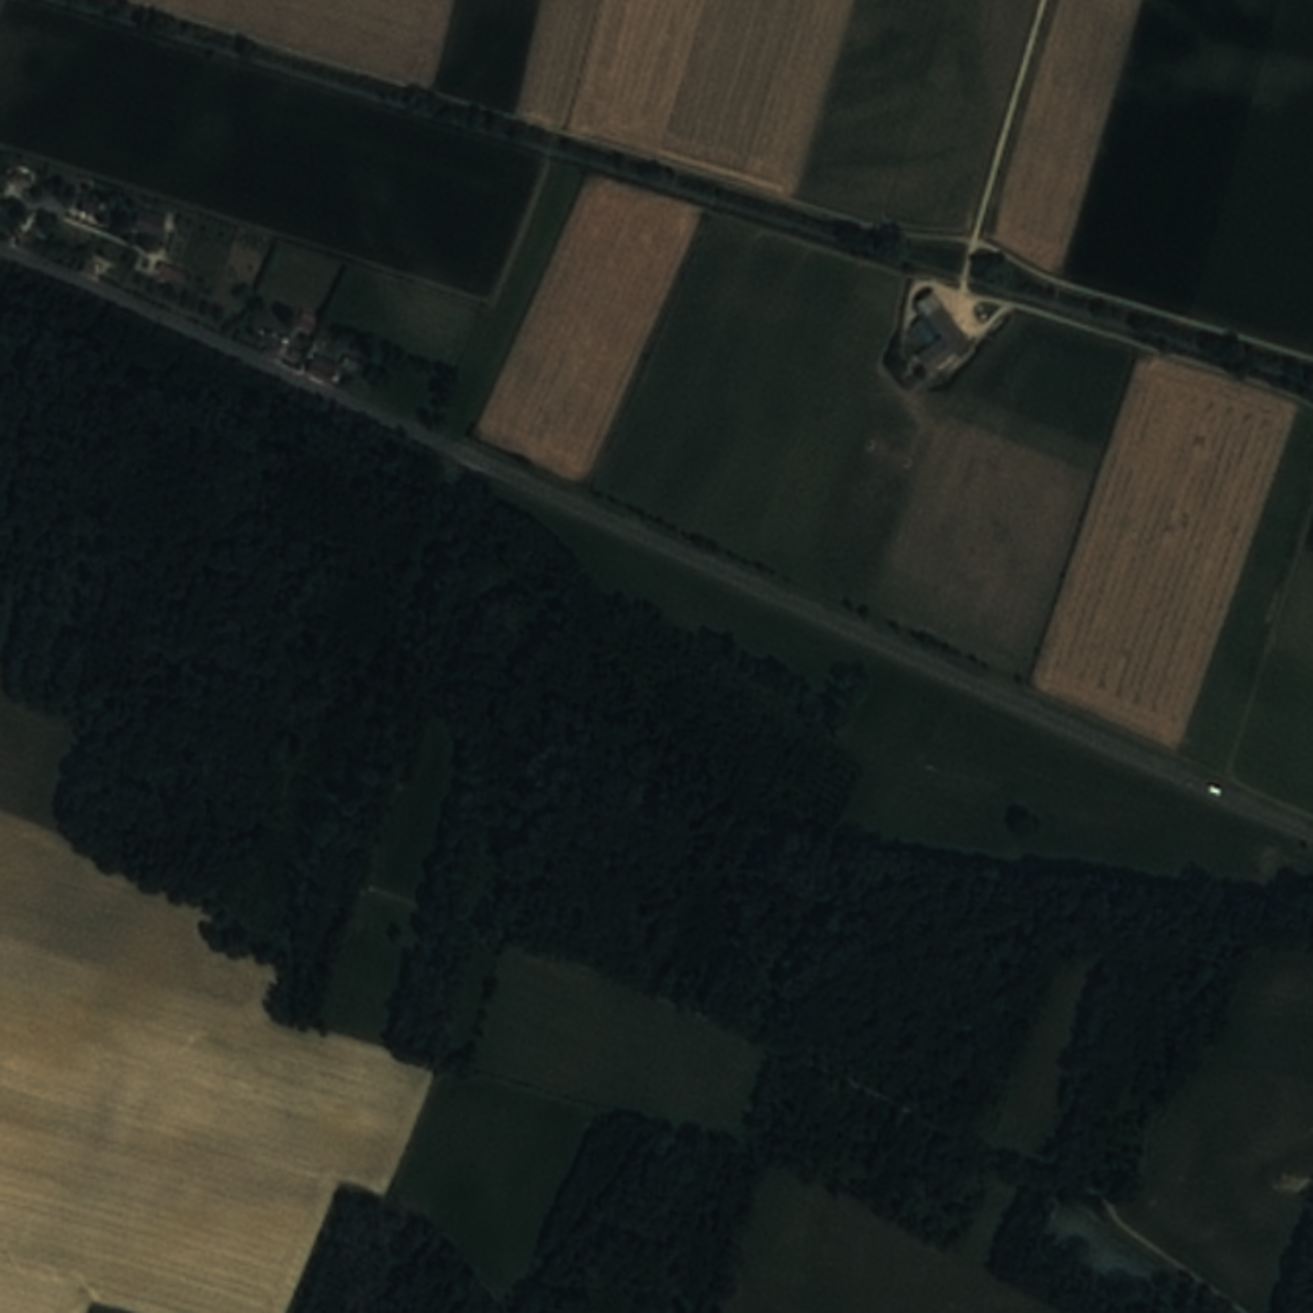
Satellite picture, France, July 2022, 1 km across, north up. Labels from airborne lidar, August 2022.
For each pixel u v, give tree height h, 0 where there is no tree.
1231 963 21
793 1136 7
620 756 17
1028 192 0
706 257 0
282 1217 0
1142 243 0
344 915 20
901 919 24
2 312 31
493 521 22
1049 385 0
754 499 0
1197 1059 20
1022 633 0
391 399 0
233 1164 0
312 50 0
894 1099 14
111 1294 0
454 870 27
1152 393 0
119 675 22
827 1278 0
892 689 0
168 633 30
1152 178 0
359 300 0
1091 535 0
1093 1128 19
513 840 27
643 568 0
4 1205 0
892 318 0
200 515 30
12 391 24
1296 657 0
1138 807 0
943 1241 9
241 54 11
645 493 0
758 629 0
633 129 0
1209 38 0
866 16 0
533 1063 0
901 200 0
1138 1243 0
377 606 13
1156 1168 0
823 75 0
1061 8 0
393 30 0
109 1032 0
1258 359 8
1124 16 0
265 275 6
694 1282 17
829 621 0
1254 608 0
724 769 7
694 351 0
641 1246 25
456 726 22
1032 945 29
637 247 0
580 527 0
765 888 27
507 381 0
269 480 26
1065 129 0
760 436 0
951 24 0
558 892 24
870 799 0
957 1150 14
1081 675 0
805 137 0
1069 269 0
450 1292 21
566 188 0
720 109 0
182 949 0
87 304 12
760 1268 0
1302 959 0
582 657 24
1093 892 32
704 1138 20
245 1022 0
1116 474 0
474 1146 0
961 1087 21
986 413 0
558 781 28
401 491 21
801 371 0
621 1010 0
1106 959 19
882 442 0
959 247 0
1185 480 0
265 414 15
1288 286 0
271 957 14
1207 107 0
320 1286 15
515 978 0
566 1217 13
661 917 29
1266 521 0
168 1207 0
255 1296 0
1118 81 0
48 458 23
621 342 0
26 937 0
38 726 0
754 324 0
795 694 24
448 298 0
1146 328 10
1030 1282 18
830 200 0
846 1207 0
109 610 24
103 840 26
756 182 0
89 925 0
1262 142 0
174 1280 0
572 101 0
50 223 13
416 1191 0
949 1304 0
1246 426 0
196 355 9
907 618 0
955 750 0
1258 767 0
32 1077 0
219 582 30
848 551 0
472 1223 0
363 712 7
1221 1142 0
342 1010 0
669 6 0
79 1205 0
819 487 0
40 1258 0
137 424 26
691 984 10
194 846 18
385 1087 0
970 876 22
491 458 0
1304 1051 0
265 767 30
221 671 29
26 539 25
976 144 0
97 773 32
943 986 23
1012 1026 28
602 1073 0
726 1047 0
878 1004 27
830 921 25
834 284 0
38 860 0
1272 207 0
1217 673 0
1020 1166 19
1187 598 0
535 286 0
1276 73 0
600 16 0
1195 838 0
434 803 0
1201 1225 0
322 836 28
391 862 0
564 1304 25
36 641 20
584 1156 10
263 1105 0
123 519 26
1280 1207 0
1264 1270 0
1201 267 0
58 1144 0
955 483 0
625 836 27
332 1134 0
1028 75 0
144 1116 0
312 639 21
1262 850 0
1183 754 0
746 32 0
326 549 17
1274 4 0
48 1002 0
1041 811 0
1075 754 0
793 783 8
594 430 0
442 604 24
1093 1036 21
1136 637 0
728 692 9
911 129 0
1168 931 25
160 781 6
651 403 0
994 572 0
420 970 19
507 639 29
